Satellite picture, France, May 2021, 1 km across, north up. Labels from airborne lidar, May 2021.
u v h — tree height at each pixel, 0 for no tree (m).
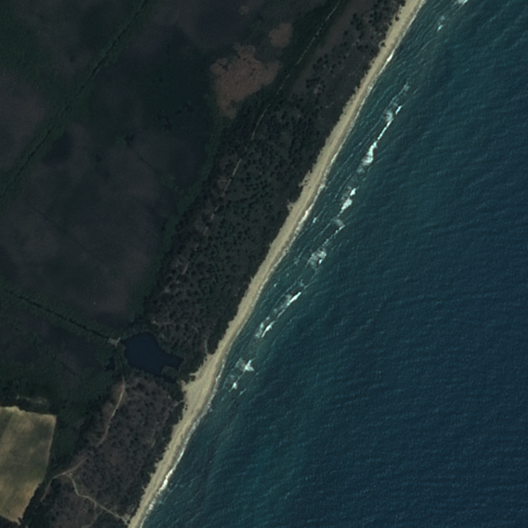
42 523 12
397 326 0
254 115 20
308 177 0
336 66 8
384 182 0
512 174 0
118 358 6
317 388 0
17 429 0
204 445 0
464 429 0
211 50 0
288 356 0
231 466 0
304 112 11
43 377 6
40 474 0
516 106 0
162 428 10
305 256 0
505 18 0
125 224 0
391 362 0
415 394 0
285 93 11
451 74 0
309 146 13
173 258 21
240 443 0
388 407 0
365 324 0
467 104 0
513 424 0
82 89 7
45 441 0
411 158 0
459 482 0
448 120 0
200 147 0
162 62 0
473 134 0
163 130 0
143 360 0
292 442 0
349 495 0
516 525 0
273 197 16
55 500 8
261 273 0
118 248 0
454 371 0
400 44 0
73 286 0
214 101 6
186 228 20
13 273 0
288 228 0
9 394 8
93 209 0
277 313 0
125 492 15
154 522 0
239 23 0
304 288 0
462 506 0
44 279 0
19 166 6
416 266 0
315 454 0
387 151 0
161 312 14
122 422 9
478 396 0
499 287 0
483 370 0
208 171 7
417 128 0
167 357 0
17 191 6
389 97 0
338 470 0
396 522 0
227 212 15
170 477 0
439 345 0
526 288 0
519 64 0
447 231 0
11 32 6
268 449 0
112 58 6
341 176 0
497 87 0
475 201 0
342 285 0
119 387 0
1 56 6
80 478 0
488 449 0
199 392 0
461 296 0
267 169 8
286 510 0
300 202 0
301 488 0
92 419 8
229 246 19
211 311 14
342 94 0
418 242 0
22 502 0
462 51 0
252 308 0
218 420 0
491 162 0
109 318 0
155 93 0
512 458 0
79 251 0
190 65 0
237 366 0
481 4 0
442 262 0
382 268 0
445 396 0
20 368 6
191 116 0
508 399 0
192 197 6
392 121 0
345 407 0
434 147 0
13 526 19
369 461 0
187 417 0
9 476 0
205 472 0
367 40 0
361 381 0
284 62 6
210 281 14
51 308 7
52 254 0
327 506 0
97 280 0
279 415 0
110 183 0
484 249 0
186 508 0
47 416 0
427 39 0
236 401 0
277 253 0
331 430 0
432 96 0
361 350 0
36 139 6
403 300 0
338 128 0
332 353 0
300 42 8
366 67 0
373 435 0
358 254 0
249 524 0
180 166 0
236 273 13
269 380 0
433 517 0
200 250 13
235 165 10
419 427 0
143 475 14
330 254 0
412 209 0
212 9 0
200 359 5
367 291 0
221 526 0
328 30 7
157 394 13
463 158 0
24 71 5
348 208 0
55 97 6
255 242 12
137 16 6
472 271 0
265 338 0
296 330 0
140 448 14
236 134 13
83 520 0
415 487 0
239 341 0
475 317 0
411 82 0
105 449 20
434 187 0
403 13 0
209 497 0
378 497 0
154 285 7
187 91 0
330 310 0
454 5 0
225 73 0
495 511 0
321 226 0
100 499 18
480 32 0
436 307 0
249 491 0
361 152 0
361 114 0
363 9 0
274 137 11
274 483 0
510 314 0
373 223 0
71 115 5
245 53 0
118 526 10
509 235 0
